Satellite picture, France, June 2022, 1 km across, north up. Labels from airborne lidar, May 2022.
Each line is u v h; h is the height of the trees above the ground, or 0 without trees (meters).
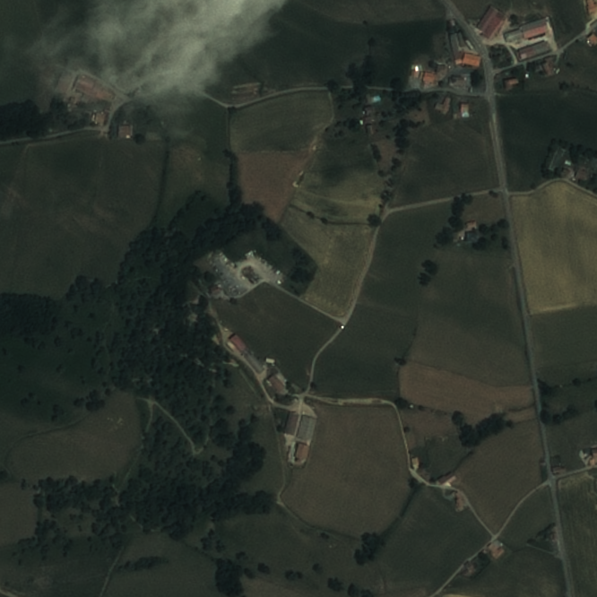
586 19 0
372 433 0
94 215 0
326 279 0
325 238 0
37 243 0
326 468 0
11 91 0
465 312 0
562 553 0
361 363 0
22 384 0
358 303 0
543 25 0
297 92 0
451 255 0
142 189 0
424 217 0
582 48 0
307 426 0
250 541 0
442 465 0
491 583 0
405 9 0
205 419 17
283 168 0
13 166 0
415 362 0
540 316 0
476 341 0
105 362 0
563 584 0
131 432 0
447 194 0
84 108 7
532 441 0
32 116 23
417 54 0
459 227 18
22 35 0
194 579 0
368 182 0
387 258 0
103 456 0
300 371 0
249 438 18
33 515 0
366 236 0
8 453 0
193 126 0
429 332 0
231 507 13
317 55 0
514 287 0
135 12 0
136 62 0
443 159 0
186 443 6
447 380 0
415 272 0
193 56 0
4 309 15
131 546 0
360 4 0
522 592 0
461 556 0
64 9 0
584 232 0
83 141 0
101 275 0
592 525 0
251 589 0
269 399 0
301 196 0
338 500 0
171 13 0
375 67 17
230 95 0
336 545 0
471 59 0
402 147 19
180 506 19
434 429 0
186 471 10
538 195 0
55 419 11
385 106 0
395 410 0
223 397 14
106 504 17
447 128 0
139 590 0
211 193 0
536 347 0
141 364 13
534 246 0
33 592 0
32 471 0
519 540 0
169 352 20
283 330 0
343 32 0
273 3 0
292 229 0
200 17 0
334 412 0
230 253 0
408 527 0
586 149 9
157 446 15
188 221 0
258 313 0
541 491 0
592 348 0
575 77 0
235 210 8
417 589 0
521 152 0
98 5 0
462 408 0
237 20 0
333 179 0
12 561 0
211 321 21
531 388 0
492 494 0
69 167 0
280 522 0
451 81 0
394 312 0
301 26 0
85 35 0
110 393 13
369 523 0
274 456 0
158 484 14
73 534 0
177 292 16
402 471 0
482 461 0
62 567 0
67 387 0
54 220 0
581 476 0
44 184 0
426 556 0
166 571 0
